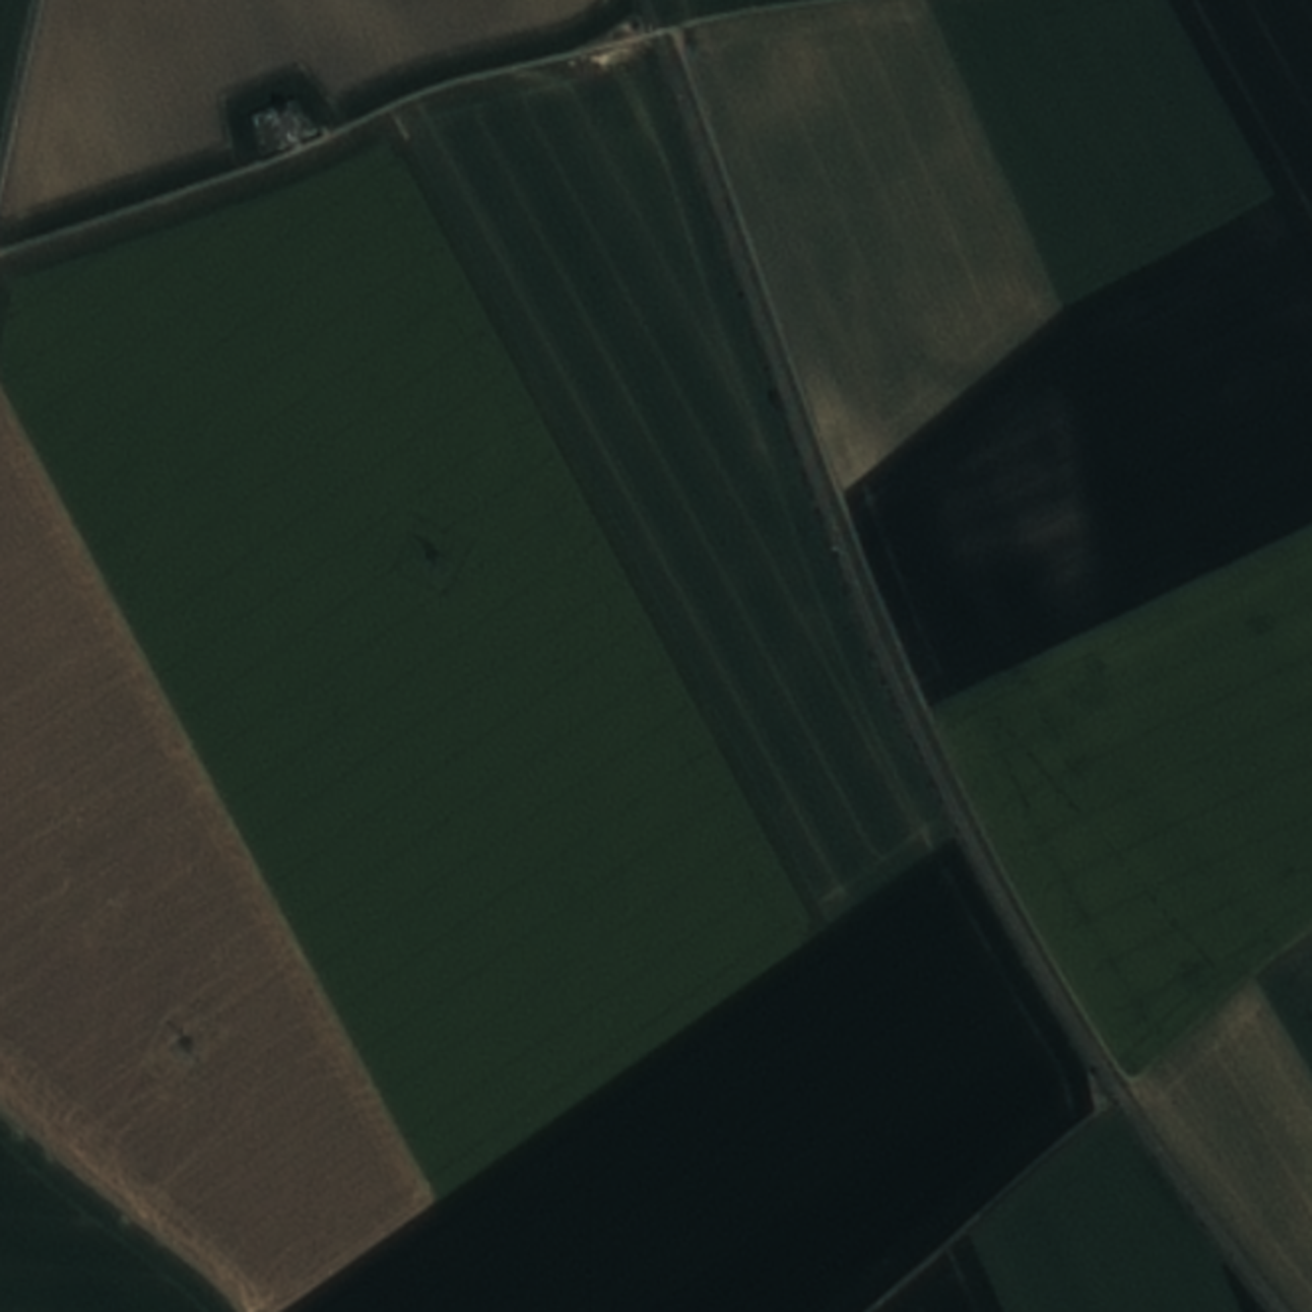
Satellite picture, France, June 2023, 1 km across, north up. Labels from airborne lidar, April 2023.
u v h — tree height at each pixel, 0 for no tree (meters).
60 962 0
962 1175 0
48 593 0
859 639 0
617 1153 0
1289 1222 0
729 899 0
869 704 0
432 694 0
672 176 0
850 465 0
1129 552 0
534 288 0
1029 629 0
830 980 0
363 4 0
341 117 0
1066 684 0
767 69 0
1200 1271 0
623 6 0
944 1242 0
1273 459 0
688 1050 0
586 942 0
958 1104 0
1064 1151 0
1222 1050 0
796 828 0
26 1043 0
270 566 0
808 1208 0
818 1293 0
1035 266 0
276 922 0
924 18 0
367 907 0
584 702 0
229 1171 0
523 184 0
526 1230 0
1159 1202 0
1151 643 0
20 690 0
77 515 0
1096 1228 0
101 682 0
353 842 0
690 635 0
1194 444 0
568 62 0
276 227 0
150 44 0
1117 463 0
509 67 0
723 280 0
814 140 0
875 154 0
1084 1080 0
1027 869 0
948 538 0
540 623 0
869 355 0
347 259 0
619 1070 0
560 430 0
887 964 0
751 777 0
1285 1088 0
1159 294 0
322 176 0
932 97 0
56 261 0
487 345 0
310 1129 0
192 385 0
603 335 0
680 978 0
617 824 0
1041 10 0
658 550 0
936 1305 0
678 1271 0
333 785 0
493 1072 0
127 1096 0
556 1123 0
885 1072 0
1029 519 0
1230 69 0
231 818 0
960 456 0
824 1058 0
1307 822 0
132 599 0
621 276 0
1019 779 0
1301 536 0
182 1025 0
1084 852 0
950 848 0
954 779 0
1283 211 0
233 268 0
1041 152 0
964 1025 0
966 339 0
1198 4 0
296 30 0
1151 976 0
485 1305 0
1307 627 0
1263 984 0
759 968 0
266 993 0
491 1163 0
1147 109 0
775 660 0
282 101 11
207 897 0
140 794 0
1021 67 0
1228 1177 0
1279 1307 0
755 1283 0
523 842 0
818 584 0
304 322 0
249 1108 0
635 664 0
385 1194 0
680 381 0
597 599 0
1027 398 0
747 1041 0
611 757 0
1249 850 0
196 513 0
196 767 0
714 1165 0
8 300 0
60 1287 0
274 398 0
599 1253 0
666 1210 0
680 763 0
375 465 0
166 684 0
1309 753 0
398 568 0
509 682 0
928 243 0
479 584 0
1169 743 0
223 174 0
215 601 0
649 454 0
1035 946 0
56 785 0
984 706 0
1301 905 0
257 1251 0
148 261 0
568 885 0
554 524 0
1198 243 0
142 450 0
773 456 0
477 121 0
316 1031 0
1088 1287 0
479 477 0
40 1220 0
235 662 0
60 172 0
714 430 0
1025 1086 0
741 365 0
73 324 0
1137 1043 0
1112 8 0
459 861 0
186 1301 0
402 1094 0
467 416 0
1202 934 0
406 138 0
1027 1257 0
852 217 0
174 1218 0
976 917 0
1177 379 0
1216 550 0
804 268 0
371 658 0
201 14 0
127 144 0
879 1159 0
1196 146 0
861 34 0
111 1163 0
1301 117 0
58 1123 0
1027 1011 0
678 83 0
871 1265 0
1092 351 0
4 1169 0
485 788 0
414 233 0
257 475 0
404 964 0
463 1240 0
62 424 0
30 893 0
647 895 0
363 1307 0
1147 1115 0
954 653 0
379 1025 0
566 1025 0
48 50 0
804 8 0
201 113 0
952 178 0
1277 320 0
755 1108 0
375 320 0
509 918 0
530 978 0
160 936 0
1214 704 0
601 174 0
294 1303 0
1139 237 0
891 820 0
